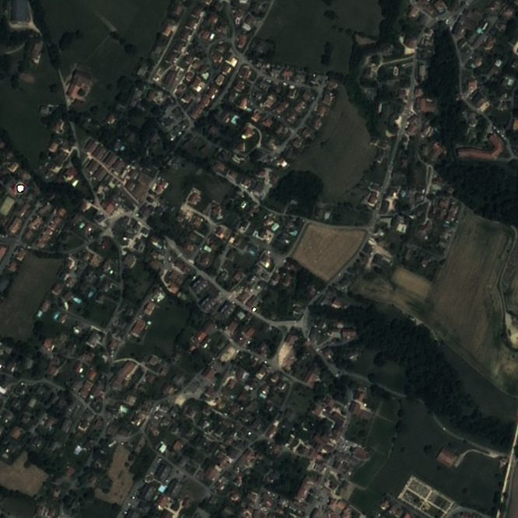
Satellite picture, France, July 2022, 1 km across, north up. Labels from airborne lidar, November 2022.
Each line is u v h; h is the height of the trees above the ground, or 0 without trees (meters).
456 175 21
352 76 10
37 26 13
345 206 11
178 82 0
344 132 0
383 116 10
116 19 0
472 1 0
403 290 0
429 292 0
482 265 0
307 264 0
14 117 0
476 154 0
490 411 0
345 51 0
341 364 13
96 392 0
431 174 0
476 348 0
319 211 0
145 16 0
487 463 0
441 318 0
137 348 0
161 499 0
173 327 0
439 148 0
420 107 0
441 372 22
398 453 0
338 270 0
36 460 16
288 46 0
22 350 16
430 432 0
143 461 8
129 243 0
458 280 0
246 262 0
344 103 0
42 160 9
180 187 0
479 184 24
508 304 0
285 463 6
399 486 0
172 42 0
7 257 0
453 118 23
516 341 0
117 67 0
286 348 0
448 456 0
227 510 0
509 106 12
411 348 28
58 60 15
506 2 7
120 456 0
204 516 0
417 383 24
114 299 6
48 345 0
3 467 0
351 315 17
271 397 10
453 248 0
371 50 13
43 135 0
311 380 0
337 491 0
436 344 9
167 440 0
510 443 14
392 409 0
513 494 0
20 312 0
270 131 6
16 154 11
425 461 0
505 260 0
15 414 6
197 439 8
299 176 15
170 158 7
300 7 0
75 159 13
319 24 0
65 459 0
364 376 0
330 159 0
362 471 0
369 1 0
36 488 0
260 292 0
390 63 0
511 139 11
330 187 0
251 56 8
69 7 0
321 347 0
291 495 12
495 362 0
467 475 0
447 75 24
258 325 0
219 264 0
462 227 0
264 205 9
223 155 0
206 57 6
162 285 7
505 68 10
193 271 0
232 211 10
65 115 12
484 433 16
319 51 0
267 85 0
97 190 8
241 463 0
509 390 0
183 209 0
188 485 0
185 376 0
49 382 0
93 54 0
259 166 11
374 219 0
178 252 0
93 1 0
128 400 0
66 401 8
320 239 0
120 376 0
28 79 0
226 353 0
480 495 0
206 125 17
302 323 0
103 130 8
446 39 21
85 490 7
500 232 0
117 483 0
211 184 0
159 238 7
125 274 9
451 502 0
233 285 7
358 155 0
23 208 0
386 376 0
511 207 28
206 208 0
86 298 6
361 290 0
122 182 0
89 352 17
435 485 0
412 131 0
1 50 0
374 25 0
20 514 0
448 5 7
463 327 0
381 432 0
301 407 0
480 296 0
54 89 15
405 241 11
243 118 13
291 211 7
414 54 0
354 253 0
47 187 13
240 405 8
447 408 11
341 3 0
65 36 13
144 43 0
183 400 0
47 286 0
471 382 0
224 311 0
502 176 19
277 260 0
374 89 8
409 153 12
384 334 28
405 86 0
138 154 7
